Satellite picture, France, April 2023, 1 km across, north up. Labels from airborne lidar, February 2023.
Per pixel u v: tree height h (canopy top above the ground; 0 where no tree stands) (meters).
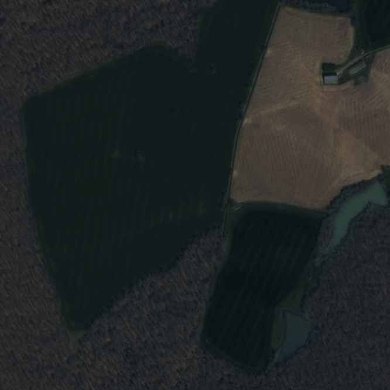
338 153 0
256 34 0
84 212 0
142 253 0
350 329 20
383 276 21
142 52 0
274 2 0
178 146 0
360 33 0
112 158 0
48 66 15
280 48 0
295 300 0
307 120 0
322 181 0
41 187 0
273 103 0
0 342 20
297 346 0
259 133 0
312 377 15
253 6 0
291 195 0
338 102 0
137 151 0
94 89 0
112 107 0
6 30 22
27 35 21
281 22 0
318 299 15
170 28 19
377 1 0
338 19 0
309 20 0
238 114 0
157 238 0
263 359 0
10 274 18
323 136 0
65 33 17
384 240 18
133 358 16
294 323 0
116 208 0
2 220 22
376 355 19
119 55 15
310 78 0
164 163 0
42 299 20
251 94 0
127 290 0
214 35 0
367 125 0
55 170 0
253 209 0
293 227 0
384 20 0
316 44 0
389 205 0
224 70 0
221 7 0
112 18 20
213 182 0
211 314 0
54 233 0
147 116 0
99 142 0
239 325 0
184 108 0
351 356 20
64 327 15
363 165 0
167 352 26
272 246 0
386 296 16
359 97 0
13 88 14
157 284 15
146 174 0
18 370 25
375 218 18
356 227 13
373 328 13
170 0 22
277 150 0
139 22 20
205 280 8
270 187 0
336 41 0
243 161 0
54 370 22
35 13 21
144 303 21
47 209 0
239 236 0
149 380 22
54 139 0
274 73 0
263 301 0
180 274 25
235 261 0
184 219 0
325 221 18
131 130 0
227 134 0
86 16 16
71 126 0
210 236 20
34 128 0
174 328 17
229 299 0
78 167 0
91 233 0
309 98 0
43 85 20
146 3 21
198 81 0
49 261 0
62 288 0
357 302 18
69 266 0
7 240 23
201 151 0
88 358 25
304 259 0
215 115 0
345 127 0
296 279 0
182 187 0
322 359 21
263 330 0
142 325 21
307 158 0
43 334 21
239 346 0
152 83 0
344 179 0
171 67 0
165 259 0
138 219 0
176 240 0
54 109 0
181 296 12
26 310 19
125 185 0
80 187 0
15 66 18
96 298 0
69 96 0
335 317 21
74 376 18
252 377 20
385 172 18
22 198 18
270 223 0
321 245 15
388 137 0
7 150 16
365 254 18
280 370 22
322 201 0
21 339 19
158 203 0
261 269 0
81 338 0
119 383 15
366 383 19
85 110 0
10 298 18
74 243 0
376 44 0
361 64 0
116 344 20
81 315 0
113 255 0
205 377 22
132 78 0
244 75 0
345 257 14
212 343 0
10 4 22
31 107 0
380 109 0
